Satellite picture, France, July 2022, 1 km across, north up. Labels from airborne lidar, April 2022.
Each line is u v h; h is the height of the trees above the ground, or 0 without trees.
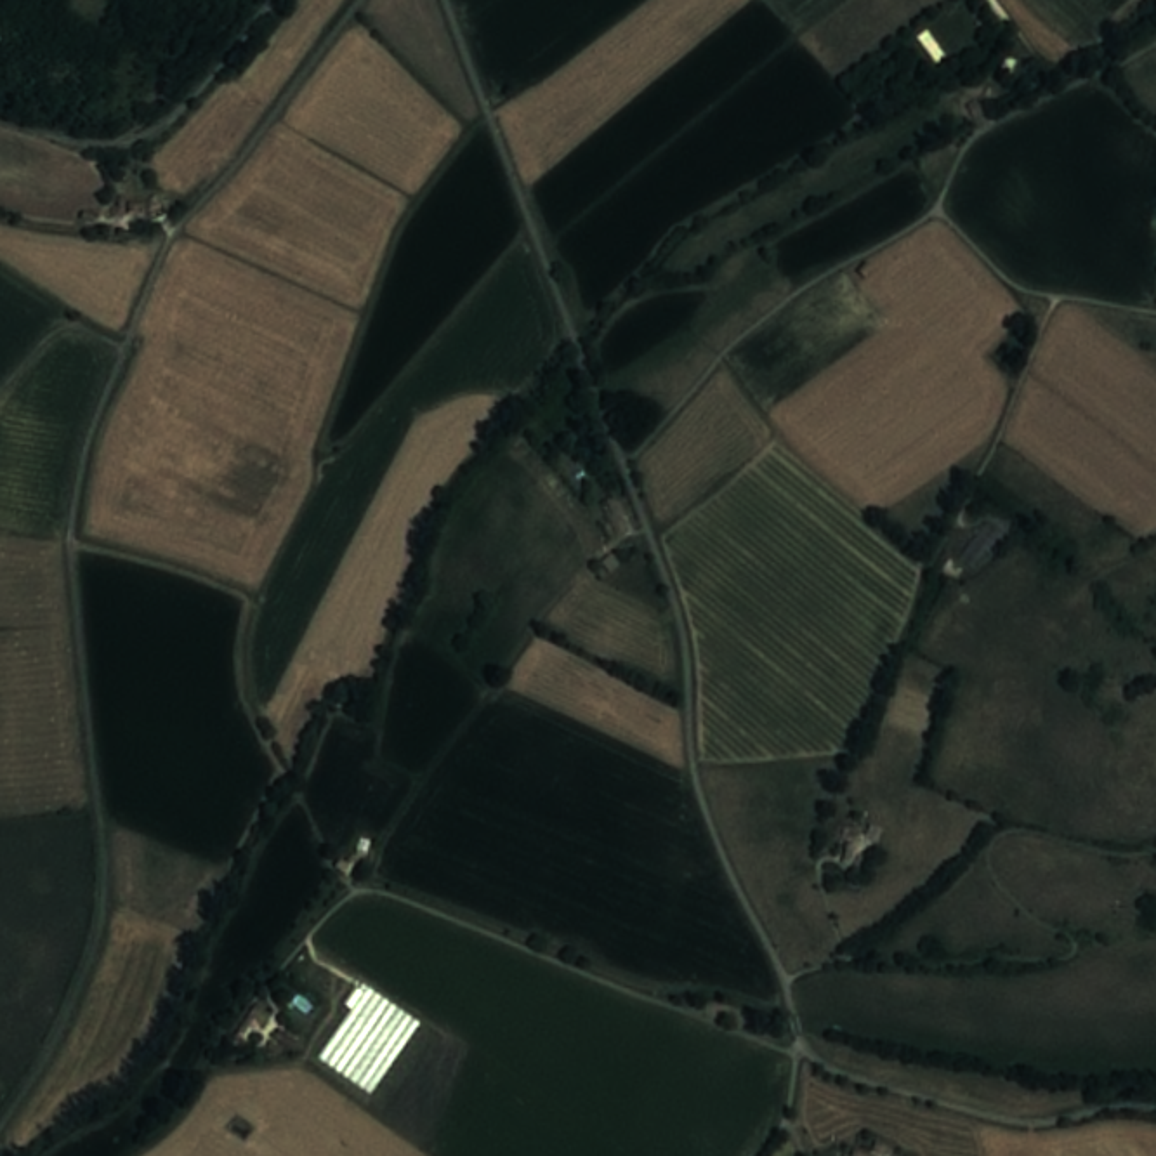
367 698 25
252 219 0
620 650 0
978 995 0
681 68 0
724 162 0
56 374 0
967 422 0
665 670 0
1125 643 0
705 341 0
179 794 0
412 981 0
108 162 18
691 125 0
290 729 0
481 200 0
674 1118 0
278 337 0
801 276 0
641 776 0
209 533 0
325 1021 0
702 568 0
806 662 0
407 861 0
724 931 0
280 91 0
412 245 0
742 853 0
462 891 0
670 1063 0
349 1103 0
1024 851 0
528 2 0
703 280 12
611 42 0
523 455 0
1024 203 0
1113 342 0
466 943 0
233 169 0
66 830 0
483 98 0
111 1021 0
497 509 0
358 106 0
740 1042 0
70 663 0
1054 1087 18
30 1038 0
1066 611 0
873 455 0
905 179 0
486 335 0
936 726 7
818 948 0
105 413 0
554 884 0
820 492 0
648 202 0
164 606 0
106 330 0
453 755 0
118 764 0
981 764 0
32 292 0
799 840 0
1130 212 0
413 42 0
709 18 0
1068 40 0
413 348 0
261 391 0
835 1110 0
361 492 0
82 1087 0
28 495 0
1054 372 0
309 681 0
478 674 0
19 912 0
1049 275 0
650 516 0
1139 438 0
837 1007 0
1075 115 0
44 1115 0
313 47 0
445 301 0
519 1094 0
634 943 0
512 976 0
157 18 24
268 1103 0
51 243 0
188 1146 0
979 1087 0
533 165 0
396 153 0
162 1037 24
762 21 0
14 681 0
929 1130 0
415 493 0
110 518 0
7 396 0
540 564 0
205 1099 0
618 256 0
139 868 0
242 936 0
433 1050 0
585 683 0
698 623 0
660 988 0
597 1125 0
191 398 0
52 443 0
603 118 0
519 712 0
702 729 0
